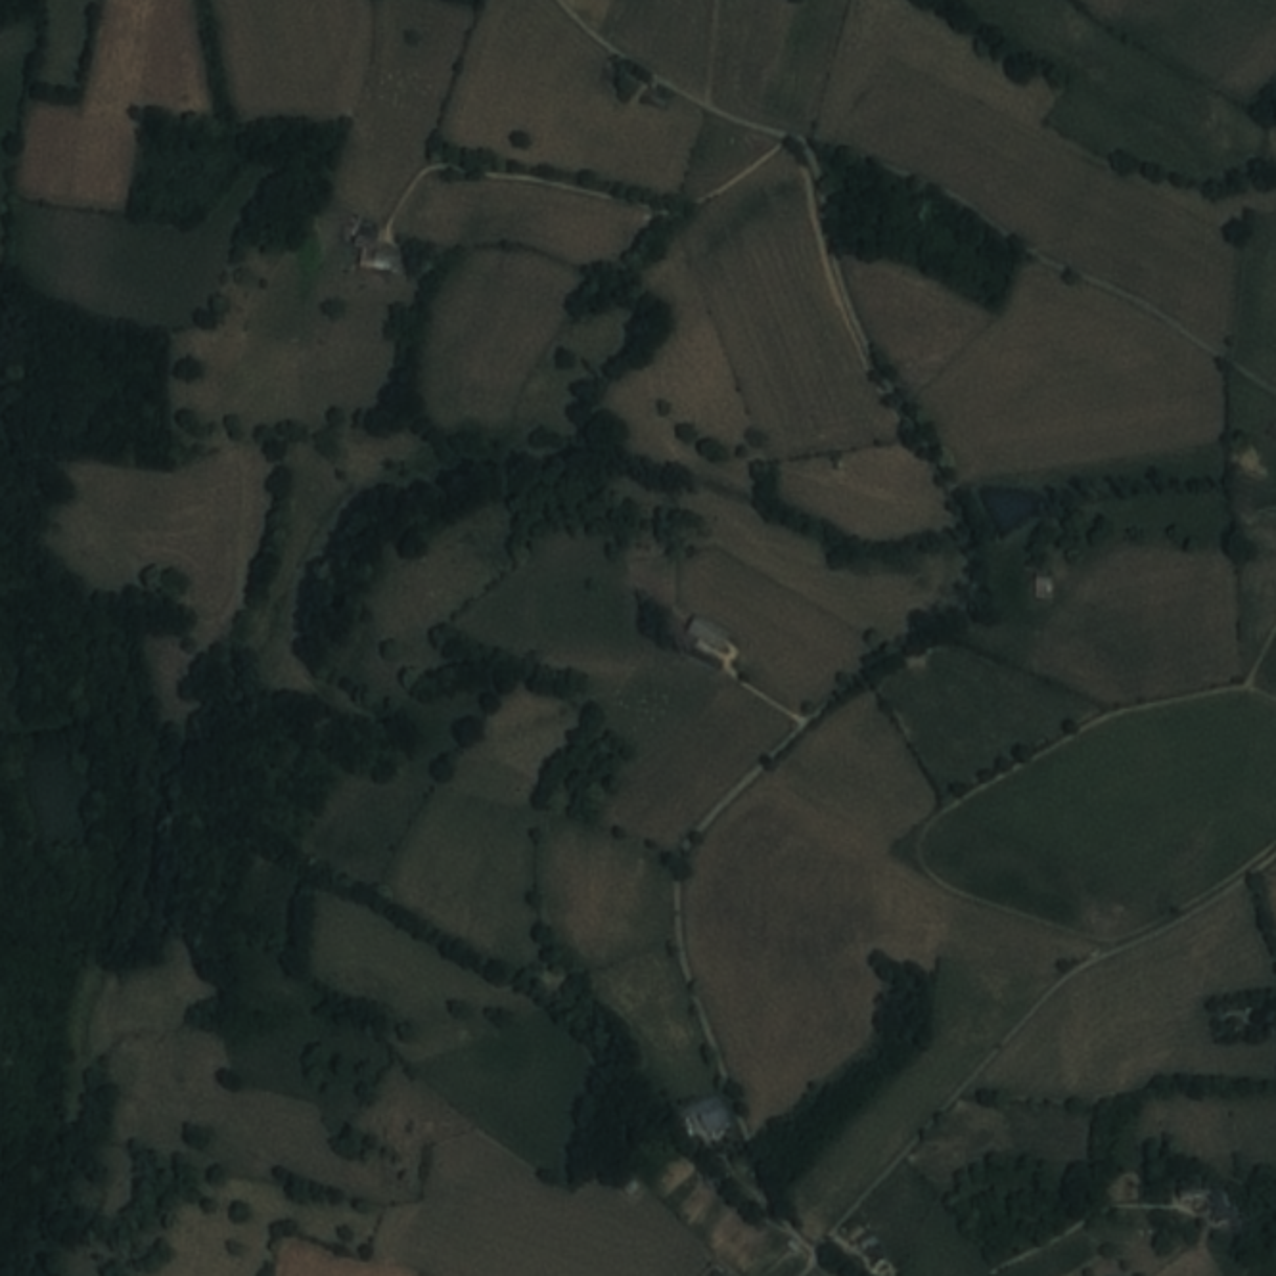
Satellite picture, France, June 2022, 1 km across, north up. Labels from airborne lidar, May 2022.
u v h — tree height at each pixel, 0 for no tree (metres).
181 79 0
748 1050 0
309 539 0
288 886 0
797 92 0
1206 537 0
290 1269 0
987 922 0
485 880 0
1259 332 0
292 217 27
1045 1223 11
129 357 8
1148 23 0
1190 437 0
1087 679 0
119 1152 0
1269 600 0
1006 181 0
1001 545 0
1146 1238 0
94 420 13
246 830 20
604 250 0
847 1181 0
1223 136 0
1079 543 10
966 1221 14
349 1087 0
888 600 0
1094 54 0
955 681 0
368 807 0
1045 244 0
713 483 0
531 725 0
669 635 11
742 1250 0
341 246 0
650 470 24
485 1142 0
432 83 0
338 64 0
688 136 0
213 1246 0
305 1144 0
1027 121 0
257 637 0
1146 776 0
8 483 16
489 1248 0
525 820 0
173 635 19
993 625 16
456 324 0
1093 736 0
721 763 0
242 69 0
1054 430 0
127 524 0
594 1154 19
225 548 0
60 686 21
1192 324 0
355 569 20
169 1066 0
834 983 0
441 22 0
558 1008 8
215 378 0
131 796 11
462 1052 0
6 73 0
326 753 18
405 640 0
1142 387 0
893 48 0
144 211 6
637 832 0
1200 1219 7
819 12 0
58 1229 30
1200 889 0
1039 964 0
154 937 21
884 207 6
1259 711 0
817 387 0
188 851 21
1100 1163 14
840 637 0
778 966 0
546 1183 13
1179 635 0
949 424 0
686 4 0
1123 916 0
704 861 0
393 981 0
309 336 0
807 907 0
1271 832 0
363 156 0
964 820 0
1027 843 0
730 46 0
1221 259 0
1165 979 0
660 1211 0
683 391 0
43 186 0
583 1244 0
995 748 0
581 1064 0
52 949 17
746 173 0
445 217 0
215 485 0
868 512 0
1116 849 0
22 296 16
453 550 0
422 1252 0
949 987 0
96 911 17
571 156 0
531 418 0
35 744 14
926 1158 0
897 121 0
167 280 0
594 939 0
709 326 0
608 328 0
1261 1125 0
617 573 0
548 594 0
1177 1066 0
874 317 0
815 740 0
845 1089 9
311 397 0
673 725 0
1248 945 0
